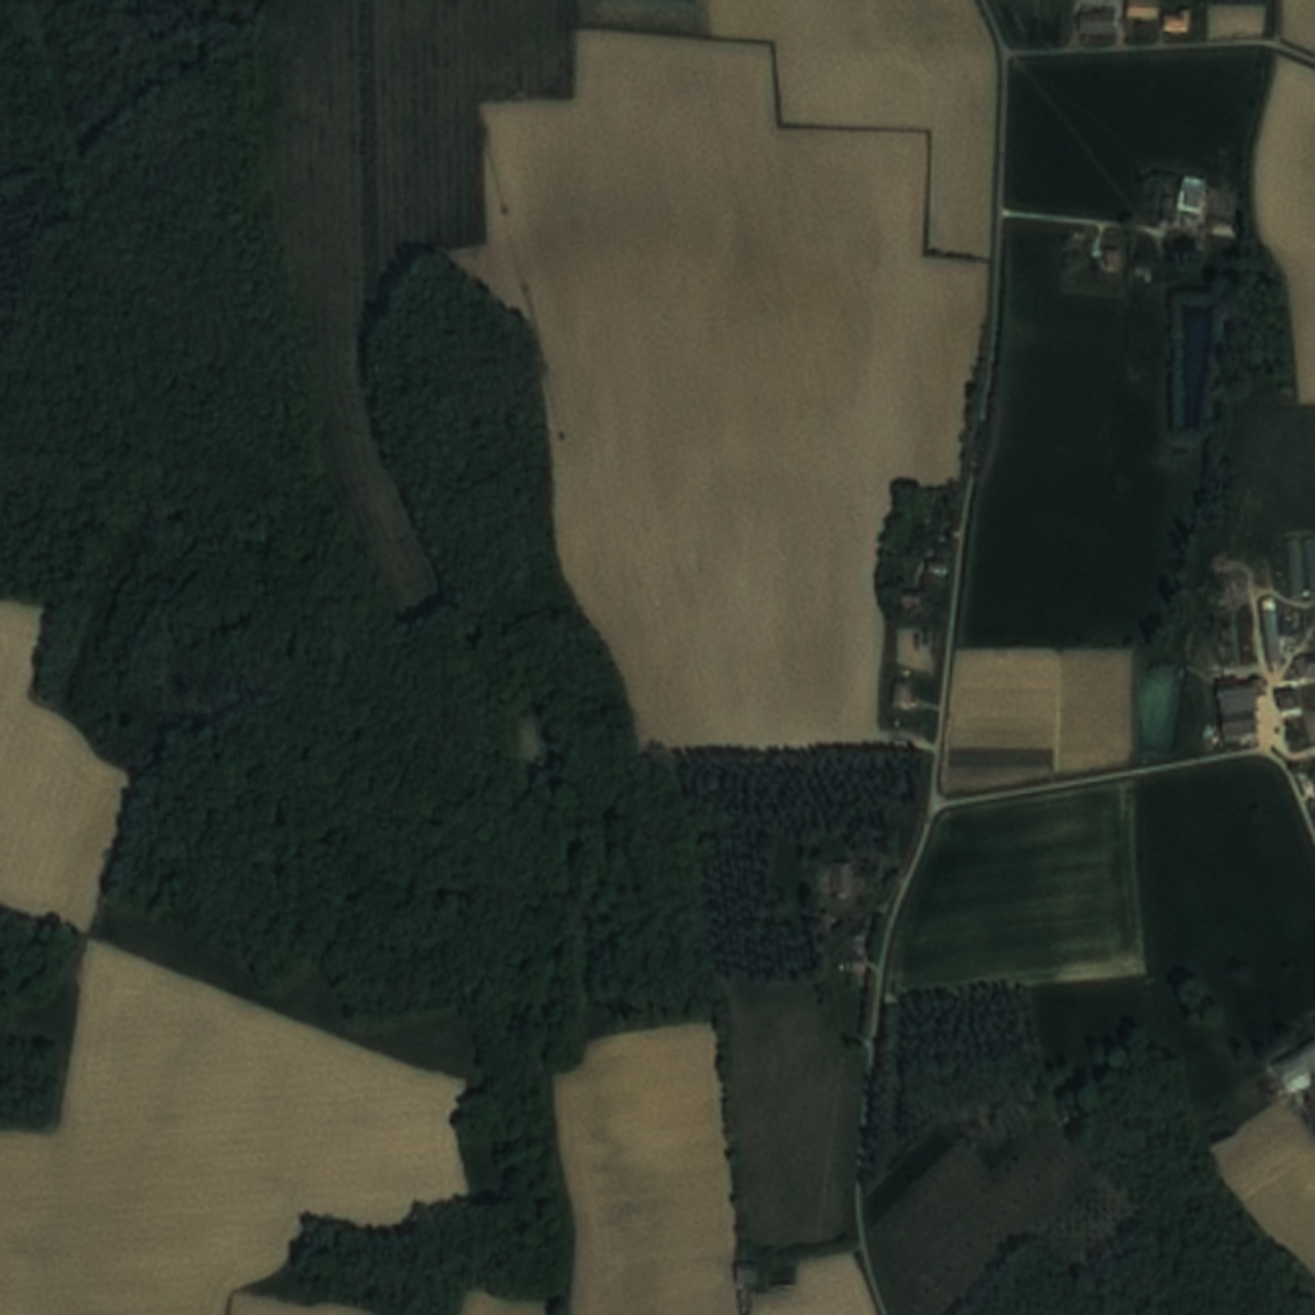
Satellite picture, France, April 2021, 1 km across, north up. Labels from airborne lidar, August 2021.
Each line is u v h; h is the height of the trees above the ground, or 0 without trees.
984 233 0
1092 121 0
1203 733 0
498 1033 18
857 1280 0
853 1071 0
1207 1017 22
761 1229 0
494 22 0
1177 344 10
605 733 23
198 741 21
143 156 18
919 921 0
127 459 25
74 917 0
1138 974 0
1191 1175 17
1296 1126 0
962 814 0
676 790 13
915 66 0
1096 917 0
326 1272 25
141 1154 0
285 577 22
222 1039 0
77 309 21
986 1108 19
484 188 0
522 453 16
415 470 23
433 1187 0
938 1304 0
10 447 23
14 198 20
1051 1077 17
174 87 17
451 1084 0
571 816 23
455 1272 20
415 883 24
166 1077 0
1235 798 0
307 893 22
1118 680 0
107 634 8
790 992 0
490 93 0
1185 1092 18
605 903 25
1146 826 0
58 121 20
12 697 0
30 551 21
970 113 0
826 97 0
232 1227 0
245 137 22
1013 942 0
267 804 20
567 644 23
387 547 0
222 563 21
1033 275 0
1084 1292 20
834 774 13
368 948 26
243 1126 0
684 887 21
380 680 21
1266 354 22
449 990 20
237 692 27
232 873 21
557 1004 23
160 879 15
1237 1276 21
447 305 21
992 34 0
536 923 28
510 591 16
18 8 20
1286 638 0
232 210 20
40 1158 0
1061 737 0
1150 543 0
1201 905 0
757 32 0
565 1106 0
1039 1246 13
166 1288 0
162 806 18
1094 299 0
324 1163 0
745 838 16
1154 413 0
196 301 21
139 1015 0
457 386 20
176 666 18
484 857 22
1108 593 0
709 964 17
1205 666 0
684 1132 0
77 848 0
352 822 25
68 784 0
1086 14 0
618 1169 0
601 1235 0
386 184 0
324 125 0
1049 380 0
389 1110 0
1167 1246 23
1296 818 0
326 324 0
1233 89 0
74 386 23
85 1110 0
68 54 14
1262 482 0
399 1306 17
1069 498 0
